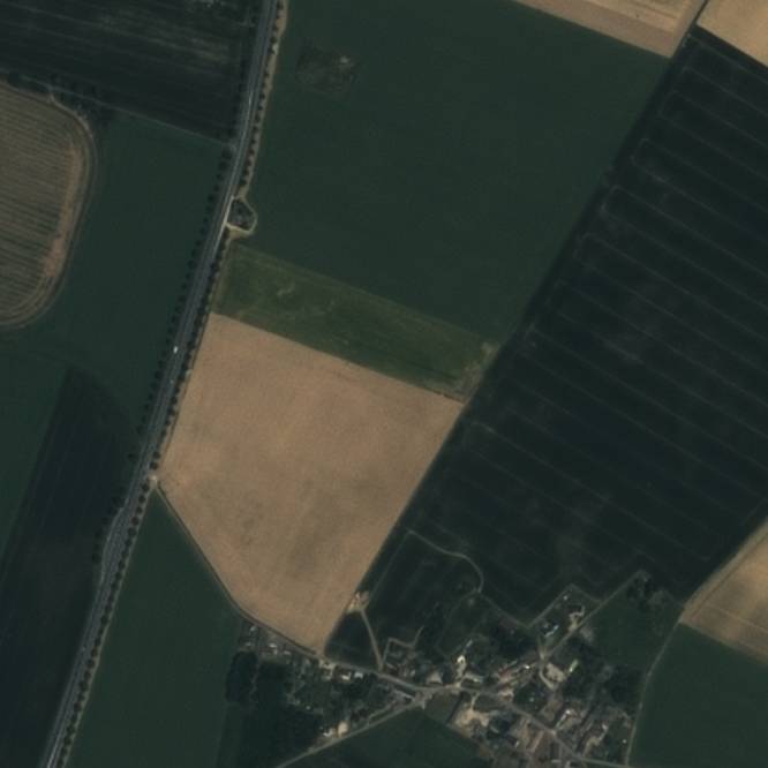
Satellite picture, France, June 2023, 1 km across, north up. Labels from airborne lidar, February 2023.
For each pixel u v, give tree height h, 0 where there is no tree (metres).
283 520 0
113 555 0
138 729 0
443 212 0
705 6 0
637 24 0
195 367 0
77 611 0
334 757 0
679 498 0
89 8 0
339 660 0
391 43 0
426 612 0
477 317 0
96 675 0
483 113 0
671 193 0
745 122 0
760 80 0
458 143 0
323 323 0
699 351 0
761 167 0
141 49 0
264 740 6
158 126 0
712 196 0
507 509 0
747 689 0
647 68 0
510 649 8
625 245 0
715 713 0
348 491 0
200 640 0
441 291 0
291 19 0
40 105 0
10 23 0
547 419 0
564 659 0
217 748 0
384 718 0
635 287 0
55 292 0
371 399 0
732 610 0
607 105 0
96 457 0
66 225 0
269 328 0
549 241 0
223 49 0
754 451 0
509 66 0
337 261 0
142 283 0
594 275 0
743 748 0
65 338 0
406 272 0
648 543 0
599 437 0
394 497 0
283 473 0
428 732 0
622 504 0
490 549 0
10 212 0
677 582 0
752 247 0
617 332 0
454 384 0
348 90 0
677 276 0
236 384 0
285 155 0
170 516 0
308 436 0
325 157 0
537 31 0
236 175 0
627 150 0
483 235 0
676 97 0
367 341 0
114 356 0
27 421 0
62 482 0
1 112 0
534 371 0
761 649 0
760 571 0
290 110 0
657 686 0
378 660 0
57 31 0
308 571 0
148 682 0
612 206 0
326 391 0
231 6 0
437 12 0
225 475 0
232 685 16
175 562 0
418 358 0
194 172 0
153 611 0
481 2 0
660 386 0
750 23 0
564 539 0
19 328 0
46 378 0
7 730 0
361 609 0
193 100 0
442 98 0
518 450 0
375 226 0
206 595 0
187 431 0
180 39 0
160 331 0
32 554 0
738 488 0
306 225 0
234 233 0
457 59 0
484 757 0
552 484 0
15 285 0
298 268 0
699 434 0
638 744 0
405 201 0
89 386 0
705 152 0
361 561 0
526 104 0
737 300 0
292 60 0
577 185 0
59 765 8
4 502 0
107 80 0
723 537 0
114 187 0
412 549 0
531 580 0
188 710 0
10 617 0
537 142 0
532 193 0
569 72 0
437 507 0
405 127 0
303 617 0
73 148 0
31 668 0
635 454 0
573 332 0
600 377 0
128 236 0
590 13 0
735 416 0
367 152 0
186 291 10
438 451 0
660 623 0
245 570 0
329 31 0
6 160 0
